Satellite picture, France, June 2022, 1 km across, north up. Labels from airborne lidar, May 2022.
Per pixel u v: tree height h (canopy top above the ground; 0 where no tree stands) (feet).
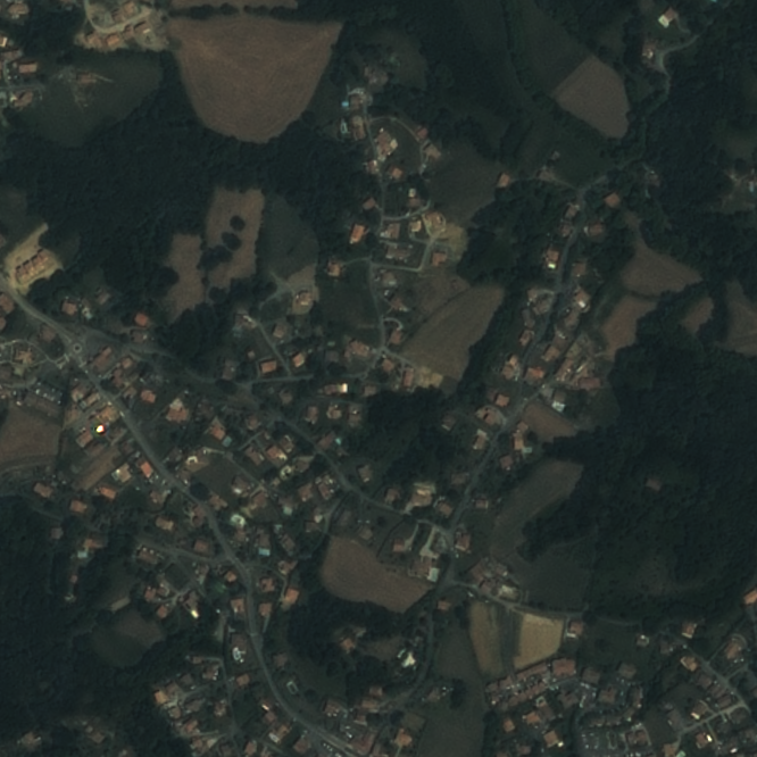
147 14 0
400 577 0
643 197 32
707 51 31
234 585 65
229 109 0
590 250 30
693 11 59
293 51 0
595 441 70
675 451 72
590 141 73
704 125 73
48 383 26
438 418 23
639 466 35
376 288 0
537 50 0
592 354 0
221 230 0
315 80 0
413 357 0
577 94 0
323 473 49
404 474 66
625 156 81
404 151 0
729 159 69
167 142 88
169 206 93
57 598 61
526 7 0
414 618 46
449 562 26
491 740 40
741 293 0
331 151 93
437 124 66
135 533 18
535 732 0
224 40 0
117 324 0
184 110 75
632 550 0
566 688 0
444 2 59
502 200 70
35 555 75
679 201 76
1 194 0
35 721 32
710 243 102
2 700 112
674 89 44
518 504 0
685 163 76
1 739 50
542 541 26
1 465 0
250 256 0
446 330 0
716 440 91
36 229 0
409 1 61
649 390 31
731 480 69
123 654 0
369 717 40
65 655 76
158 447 0
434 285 0
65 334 0
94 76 0
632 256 20
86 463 0
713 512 33
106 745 32
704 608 35
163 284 58
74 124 0
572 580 0
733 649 0
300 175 71
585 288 18
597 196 71
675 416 95
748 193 0
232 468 0
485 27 0
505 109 45
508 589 0
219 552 38
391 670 56
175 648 79
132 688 109
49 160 83
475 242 58
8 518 123
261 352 0
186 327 36
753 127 41
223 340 43
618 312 0
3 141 0
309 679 0
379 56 28
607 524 44
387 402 36
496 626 0
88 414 0
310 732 0
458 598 0
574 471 0
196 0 0
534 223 95
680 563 23
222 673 24
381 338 0
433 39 45
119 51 36
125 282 41
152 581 19
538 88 53
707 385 110
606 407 0
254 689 43
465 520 0
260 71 0
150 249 29
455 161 0
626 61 41
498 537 0
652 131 84
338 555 0
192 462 0
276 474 31
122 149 73
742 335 0
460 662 0
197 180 96
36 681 80
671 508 62
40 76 25
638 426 91
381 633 49
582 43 20
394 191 33
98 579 105
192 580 0
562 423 0
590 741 0
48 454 0
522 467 22
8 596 72
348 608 65
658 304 0
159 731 114
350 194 24
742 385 79
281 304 0
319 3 65
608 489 73
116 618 44
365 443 38
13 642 114
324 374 36
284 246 0
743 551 36
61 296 22
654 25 0
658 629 46
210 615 29
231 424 37
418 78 0
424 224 0
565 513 41
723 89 50
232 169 70
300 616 60
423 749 0
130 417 0
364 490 33
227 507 19
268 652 24
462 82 60
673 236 91
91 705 75
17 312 41
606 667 28
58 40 78
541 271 50
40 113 0
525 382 22
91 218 90
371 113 36
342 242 28
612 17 37
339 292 0
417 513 54
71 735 71
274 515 0
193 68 0
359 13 85
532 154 0
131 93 0
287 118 0
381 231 0
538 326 0
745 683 38
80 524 79
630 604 22
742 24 24
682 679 21
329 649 60
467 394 71
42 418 0
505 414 0
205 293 0
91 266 61
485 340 31
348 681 42
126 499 0
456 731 0
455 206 0
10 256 0
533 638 0
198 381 0
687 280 0
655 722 0
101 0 0
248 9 27
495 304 0
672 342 104
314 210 58
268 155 53
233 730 0
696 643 61
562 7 96
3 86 42
